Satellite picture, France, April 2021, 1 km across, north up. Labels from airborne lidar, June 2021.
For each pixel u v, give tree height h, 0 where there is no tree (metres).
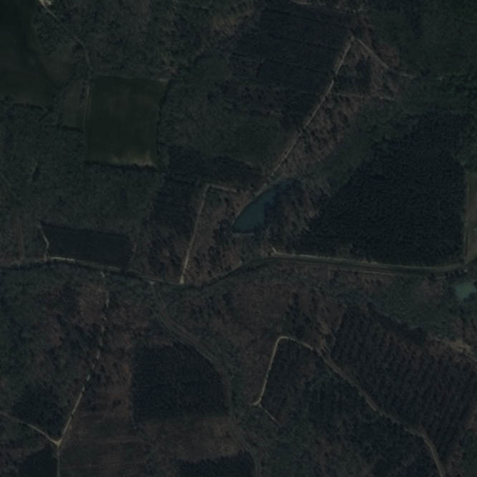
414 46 18
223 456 0
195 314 15
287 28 13
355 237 18
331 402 25
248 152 16
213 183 13
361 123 16
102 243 15
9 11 0
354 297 18
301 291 9
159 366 19
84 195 19
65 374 9
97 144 0
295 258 0
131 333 12
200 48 16
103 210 23
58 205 14
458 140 17
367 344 14
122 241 11
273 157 12
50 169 19
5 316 18
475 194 0
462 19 19
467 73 11
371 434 9
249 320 8
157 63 20
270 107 8
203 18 19
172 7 13
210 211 8
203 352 0
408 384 10
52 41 19
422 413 16
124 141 0
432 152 16
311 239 16
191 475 17
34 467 10
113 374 13
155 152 0
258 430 17
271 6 18
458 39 16
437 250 19
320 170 21
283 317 0
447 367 8
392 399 15
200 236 6
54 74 0
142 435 11
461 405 13
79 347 22
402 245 19
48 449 11
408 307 16
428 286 6
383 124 20
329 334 0
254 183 10
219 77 14
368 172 18
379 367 16
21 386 16
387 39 15
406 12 14
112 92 0
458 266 0
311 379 11
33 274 22
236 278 18
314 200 15
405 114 9
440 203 19
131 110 0
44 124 19
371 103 16
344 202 20
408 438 9
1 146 16
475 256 0
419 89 20
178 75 19
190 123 12
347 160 19
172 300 10
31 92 0
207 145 18
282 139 11
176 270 23
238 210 7
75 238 14
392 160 15
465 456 10
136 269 11
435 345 7
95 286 17
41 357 12
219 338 16
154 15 15
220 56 13
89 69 12
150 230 22
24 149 15
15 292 22
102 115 0
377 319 17
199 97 16
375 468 11
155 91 0
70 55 6
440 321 18
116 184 17
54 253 10
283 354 11
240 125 16
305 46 14
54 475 10
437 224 21
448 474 10
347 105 11
